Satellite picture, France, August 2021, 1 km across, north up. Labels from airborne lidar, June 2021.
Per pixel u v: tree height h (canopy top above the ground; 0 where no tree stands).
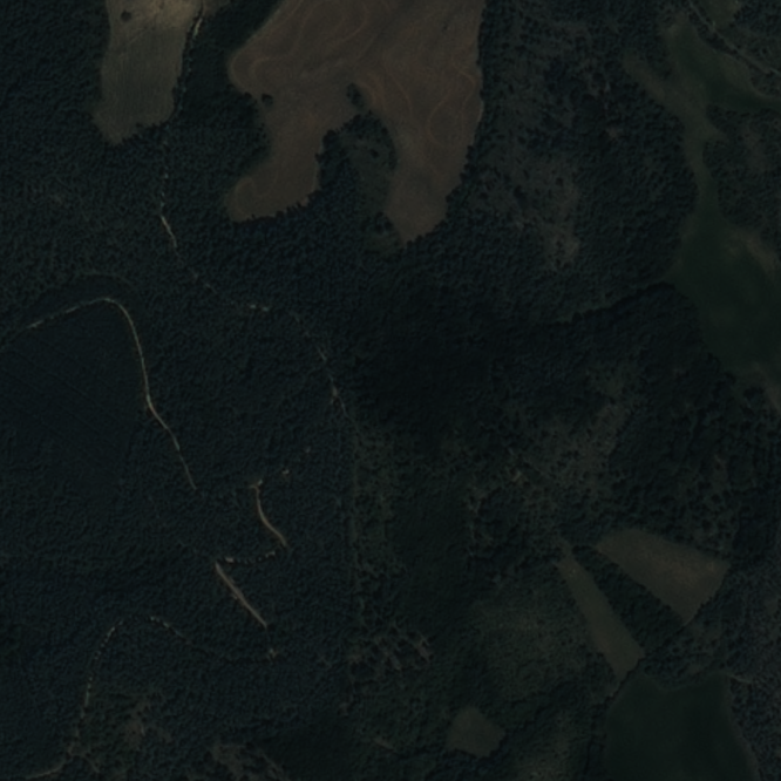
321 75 0
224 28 10
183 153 15
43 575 8
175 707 13
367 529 11
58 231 15
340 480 8
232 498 12
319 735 12
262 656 17
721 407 19
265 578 12
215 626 19
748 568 15
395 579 16
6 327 14
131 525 12
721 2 0
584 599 0
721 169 5
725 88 0
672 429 21
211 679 16
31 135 13
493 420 14
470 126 0
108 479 6
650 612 13
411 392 21
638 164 12
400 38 0
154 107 0
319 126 0
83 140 14
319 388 13
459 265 13
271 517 16
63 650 15
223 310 16
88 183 12
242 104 16
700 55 0
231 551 12
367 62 0
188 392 14
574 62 7
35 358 8
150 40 0
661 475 21
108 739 9
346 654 14
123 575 13
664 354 19
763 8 12
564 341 14
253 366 16
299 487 13
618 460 15
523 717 9
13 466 9
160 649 13
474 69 0
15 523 10
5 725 9
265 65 0
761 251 0
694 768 0
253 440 12
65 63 6
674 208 15
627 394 11
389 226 16
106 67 0
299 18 0
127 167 16
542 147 13
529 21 10
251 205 0
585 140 13
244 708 13
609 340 19
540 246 8
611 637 0
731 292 0
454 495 13
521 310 13
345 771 10
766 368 0
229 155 19
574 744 6
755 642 13
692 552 0
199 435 13
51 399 6
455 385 21
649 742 0
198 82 9
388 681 8
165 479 14
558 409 13
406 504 14
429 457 12
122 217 15
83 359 6
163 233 14
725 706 0
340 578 12
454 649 9
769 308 0
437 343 22
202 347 16
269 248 16
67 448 6
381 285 15
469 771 10
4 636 8
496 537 16
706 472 17
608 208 17
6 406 7
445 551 12
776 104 0
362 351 12
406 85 0
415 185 0
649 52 11
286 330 16
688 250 0
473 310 15
